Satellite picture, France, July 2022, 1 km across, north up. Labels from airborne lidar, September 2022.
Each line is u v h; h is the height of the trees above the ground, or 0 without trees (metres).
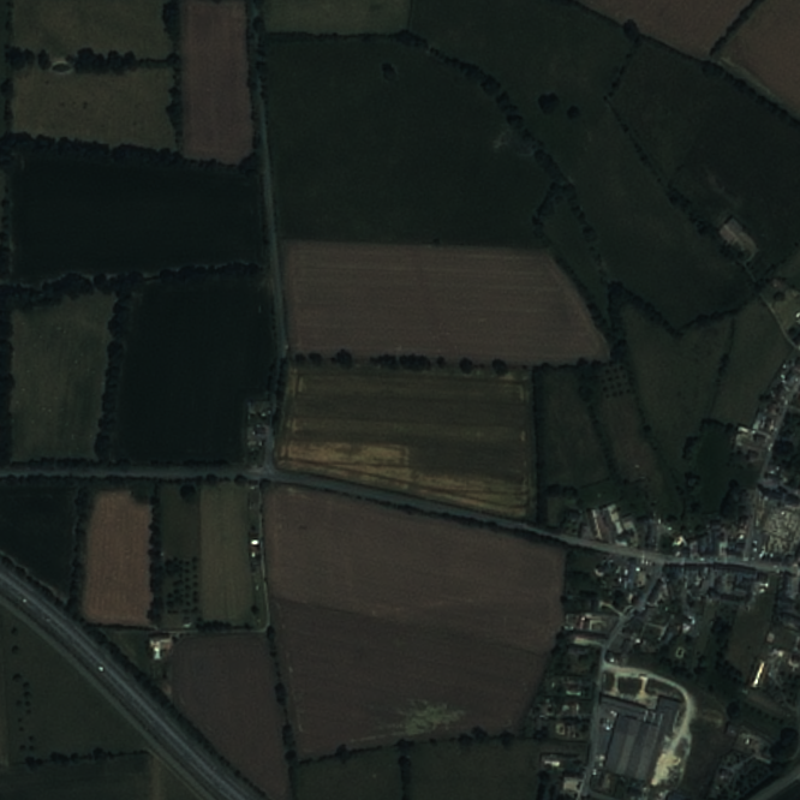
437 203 0
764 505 0
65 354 0
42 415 0
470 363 13
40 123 0
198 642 0
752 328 0
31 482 13
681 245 0
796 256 0
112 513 0
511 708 0
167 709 11
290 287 0
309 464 0
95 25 0
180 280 14
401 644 0
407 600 0
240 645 0
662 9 0
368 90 0
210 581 0
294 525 0
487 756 0
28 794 0
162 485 8
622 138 0
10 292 23
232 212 0
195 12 0
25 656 0
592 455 0
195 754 0
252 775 0
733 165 0
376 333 0
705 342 0
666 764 0
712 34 0
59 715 0
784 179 0
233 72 0
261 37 6
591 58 0
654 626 0
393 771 0
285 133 0
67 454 0
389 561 0
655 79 0
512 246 0
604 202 0
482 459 0
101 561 0
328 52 0
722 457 0
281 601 0
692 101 0
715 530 0
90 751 0
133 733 0
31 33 0
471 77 21
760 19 0
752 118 0
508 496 0
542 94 0
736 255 7
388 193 0
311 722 0
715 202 0
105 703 0
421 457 0
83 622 9
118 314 18
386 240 0
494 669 0
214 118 0
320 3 0
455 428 0
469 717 0
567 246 0
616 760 0
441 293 0
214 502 0
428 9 0
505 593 0
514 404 0
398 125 0
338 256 0
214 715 0
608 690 0
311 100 0
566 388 0
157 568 17
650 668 0
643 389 0
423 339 0
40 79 0
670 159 0
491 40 0
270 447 0
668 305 0
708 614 0
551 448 0
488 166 0
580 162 0
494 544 0
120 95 0
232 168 7
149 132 0
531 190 0
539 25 0
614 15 0
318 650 0
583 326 0
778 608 6
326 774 0
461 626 0
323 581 0
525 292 0
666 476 0
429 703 0
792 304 0
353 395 0
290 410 0
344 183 0
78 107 0
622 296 24
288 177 0
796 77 0
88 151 19
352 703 0
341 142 0
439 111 0
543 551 0
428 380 0
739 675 10
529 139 18
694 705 0
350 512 0
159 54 0
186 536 0
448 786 0
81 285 18
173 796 0
